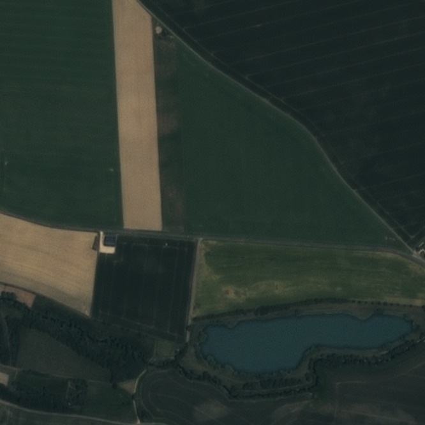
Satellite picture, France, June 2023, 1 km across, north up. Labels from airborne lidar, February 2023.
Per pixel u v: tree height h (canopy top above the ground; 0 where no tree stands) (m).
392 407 0
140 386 0
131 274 0
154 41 0
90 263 0
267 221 0
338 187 0
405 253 0
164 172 0
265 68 0
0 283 0
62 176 0
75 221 0
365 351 0
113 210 0
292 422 0
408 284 0
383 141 0
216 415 0
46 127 0
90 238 0
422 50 0
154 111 0
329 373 0
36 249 0
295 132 0
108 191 0
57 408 15
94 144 0
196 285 0
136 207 0
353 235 0
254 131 0
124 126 0
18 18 0
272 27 0
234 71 0
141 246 0
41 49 0
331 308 0
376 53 0
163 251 0
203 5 0
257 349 0
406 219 0
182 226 0
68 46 0
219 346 0
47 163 0
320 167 0
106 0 0
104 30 0
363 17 0
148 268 0
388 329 0
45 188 0
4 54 0
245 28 0
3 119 0
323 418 0
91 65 0
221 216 0
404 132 0
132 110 0
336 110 0
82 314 0
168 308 0
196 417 0
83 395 14
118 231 0
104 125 0
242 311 9
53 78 0
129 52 0
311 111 0
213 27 0
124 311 0
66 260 0
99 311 0
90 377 0
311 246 0
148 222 0
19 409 0
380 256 0
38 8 0
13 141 0
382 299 0
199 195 0
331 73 0
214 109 0
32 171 0
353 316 0
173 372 0
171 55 0
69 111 0
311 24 0
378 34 0
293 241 0
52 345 0
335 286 0
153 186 0
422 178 0
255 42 0
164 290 0
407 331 0
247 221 0
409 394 0
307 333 0
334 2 0
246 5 0
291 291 0
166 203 0
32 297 0
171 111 0
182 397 0
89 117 0
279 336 0
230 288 0
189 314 0
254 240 0
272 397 13
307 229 0
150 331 0
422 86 0
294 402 0
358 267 0
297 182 0
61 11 0
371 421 0
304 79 0
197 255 0
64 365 0
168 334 0
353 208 0
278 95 0
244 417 0
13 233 0
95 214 0
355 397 0
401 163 0
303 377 0
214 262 0
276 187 0
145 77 0
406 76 0
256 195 0
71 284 0
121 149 0
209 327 0
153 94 0
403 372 0
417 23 0
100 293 0
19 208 0
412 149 0
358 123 0
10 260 0
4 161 0
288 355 0
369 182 0
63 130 0
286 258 0
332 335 0
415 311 0
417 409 0
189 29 0
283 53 0
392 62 0
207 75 0
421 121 0
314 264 0
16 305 15
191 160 0
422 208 0
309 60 0
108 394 0
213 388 0
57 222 0
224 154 0
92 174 0
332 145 0
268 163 0
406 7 0
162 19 0
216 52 0
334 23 0
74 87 0
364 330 0
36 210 0
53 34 0
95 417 0
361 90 0
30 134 0
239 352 0
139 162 0
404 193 0
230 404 0
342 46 0
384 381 0
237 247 0
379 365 10
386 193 0
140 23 0
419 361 0
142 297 0
